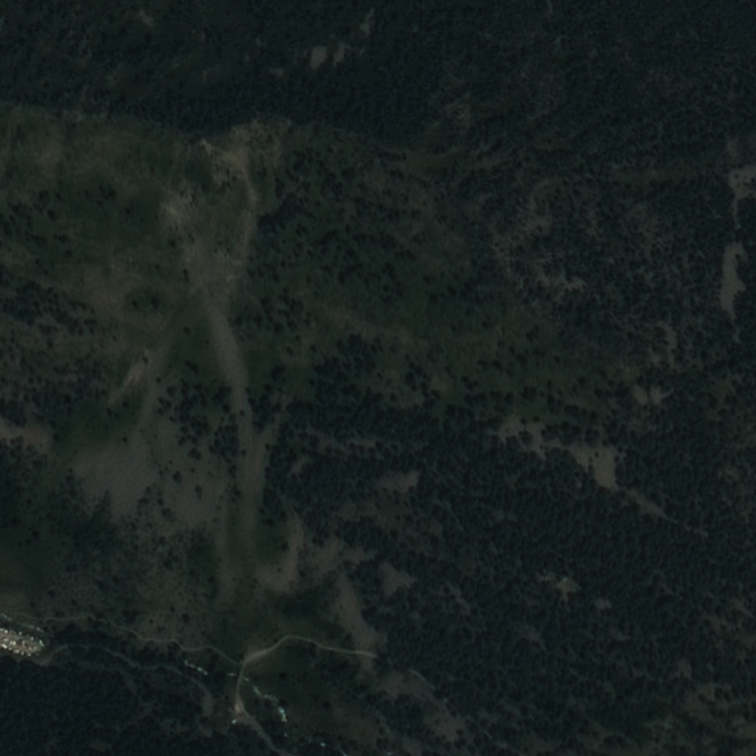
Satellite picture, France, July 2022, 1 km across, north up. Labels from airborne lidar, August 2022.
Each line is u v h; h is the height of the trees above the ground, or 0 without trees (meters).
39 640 0
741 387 14
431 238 0
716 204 7
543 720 6
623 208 13
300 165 9
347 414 14
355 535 22
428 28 10
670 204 10
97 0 0
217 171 0
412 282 0
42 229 0
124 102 15
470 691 21
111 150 0
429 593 10
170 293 0
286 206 8
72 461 0
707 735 11
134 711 9
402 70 11
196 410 0
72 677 13
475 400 13
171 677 9
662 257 7
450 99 7
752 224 11
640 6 8
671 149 13
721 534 17
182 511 0
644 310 7
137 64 11
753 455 14
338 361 12
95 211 0
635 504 13
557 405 12
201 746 8
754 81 12
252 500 0
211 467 0
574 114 6
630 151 8
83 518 11
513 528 19
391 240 7
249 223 0
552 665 22
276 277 18
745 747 11
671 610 9
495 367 11
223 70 0
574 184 12
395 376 0
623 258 17
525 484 15
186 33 0
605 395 12
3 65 0
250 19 0
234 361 0
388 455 20
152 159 0
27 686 32
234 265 0
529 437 16
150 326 0
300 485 13
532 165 0
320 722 0
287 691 0
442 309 6
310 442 8
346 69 6
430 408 13
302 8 7
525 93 6
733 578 19
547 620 21
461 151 0
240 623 0
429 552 8
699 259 10
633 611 15
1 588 0
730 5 6
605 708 8
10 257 0
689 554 17
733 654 9
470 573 6
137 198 0
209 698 0
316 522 17
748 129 9
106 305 0
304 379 0
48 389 12
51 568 0
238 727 11
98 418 0
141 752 23
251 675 0
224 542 0
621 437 13
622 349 8
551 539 18
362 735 0
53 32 0
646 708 8
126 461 0
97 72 0
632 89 6
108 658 19
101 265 0
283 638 0
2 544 0
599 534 18
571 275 13
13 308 14
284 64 10
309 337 0
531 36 8
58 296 7
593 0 13
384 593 11
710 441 15
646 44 10
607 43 9
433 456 19
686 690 8
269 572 0
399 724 18
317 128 10
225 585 0
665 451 9
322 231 0
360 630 0
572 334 10
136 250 0
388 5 9
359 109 11
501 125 12
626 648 17
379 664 15
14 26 0
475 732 15
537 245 8
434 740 6
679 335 7
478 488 15
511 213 10
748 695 11
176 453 0
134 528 10
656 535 16
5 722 30
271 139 9
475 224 9
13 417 14
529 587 12
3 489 8
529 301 8
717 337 8
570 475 12
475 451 16
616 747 6
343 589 0
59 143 8
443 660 17
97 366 11
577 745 15
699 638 13
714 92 15
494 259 7
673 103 12
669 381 10
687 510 16
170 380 0
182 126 8
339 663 7
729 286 0
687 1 10
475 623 10
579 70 13
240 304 0
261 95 11
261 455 0
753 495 7
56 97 11
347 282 10
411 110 11
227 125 7
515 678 20
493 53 7
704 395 10
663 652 16
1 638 0
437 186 6
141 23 0
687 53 8
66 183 0
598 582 18
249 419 0
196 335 0
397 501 9
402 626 13
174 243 11
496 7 7
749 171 0
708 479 15
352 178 12
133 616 9
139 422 0
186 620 18
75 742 22
